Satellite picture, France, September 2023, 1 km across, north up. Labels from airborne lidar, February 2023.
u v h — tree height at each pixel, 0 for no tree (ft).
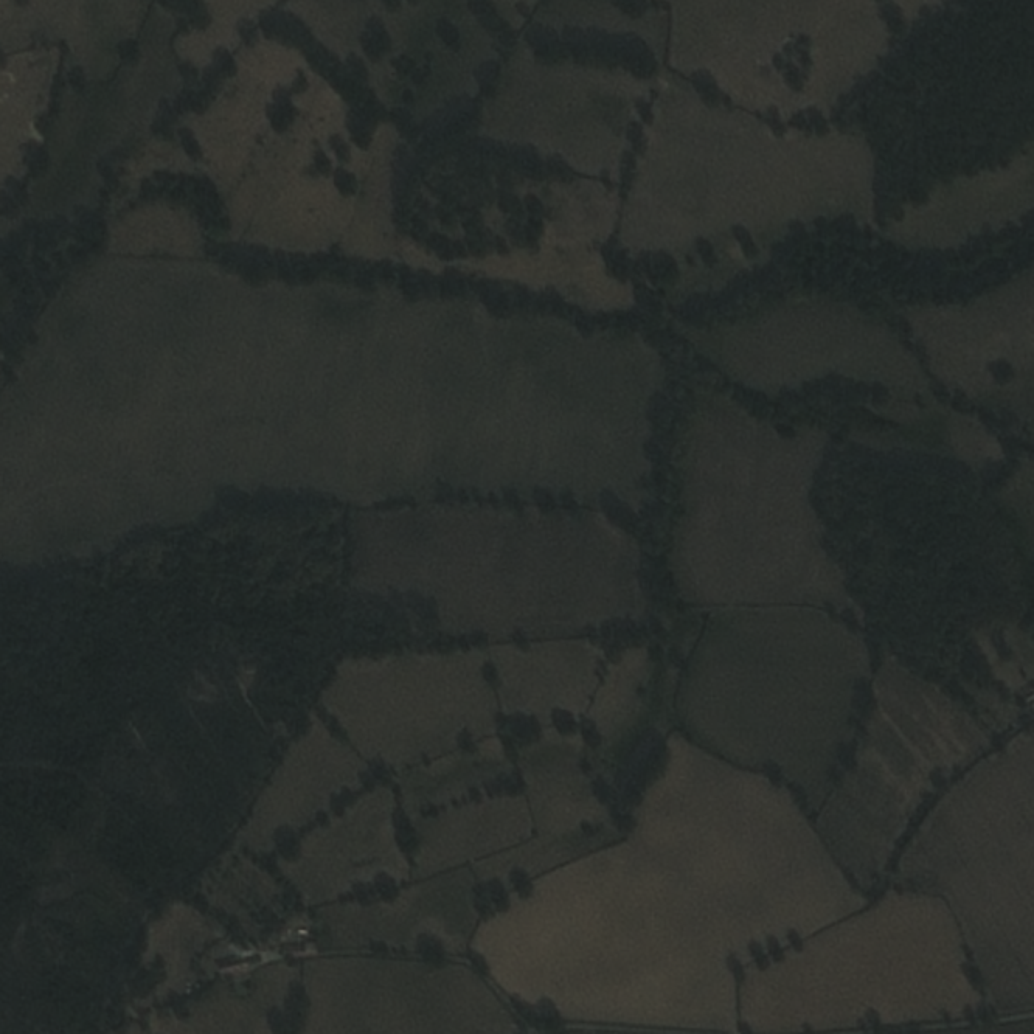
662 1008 0
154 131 34
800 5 0
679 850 0
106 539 0
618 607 0
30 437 0
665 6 26
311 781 0
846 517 64
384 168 0
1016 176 0
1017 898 0
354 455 0
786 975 0
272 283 0
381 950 30
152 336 0
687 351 63
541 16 0
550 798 0
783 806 0
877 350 0
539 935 0
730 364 0
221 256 64
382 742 0
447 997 0
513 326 0
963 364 0
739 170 0
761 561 0
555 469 0
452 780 0
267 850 0
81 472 0
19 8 0
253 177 0
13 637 85
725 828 0
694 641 0
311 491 0
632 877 0
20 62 0
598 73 0
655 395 0
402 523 0
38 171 46
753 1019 0
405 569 0
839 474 41
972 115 55
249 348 0
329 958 0
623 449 0
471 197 41
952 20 49
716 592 0
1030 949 0
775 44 0
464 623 0
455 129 59
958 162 46
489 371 0
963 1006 0
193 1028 0
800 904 0
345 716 0
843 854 0
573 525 0
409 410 0
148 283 0
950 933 0
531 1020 43
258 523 65
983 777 0
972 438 0
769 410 41
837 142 0
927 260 30
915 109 63
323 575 35
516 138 0
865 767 0
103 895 0
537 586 0
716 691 0
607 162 0
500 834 0
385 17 0
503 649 0
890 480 53
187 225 0
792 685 0
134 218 0
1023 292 0
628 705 0
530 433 0
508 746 52
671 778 0
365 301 0
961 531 56
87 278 0
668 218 0
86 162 0
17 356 52
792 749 0
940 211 0
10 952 0
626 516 62
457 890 0
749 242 66
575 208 0
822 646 0
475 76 0
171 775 0
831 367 0
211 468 0
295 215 0
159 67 0
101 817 0
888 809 0
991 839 0
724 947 0
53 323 0
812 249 41
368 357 0
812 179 0
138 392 0
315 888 0
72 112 0
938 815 0
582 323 63
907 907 0
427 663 0
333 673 39
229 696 0
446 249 74
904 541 54
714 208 0
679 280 0
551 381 0
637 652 0
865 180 0
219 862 19
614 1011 0
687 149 0
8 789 26
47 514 0
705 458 0
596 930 0
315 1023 0
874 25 0
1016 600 55
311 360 0
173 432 0
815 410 52
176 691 0
